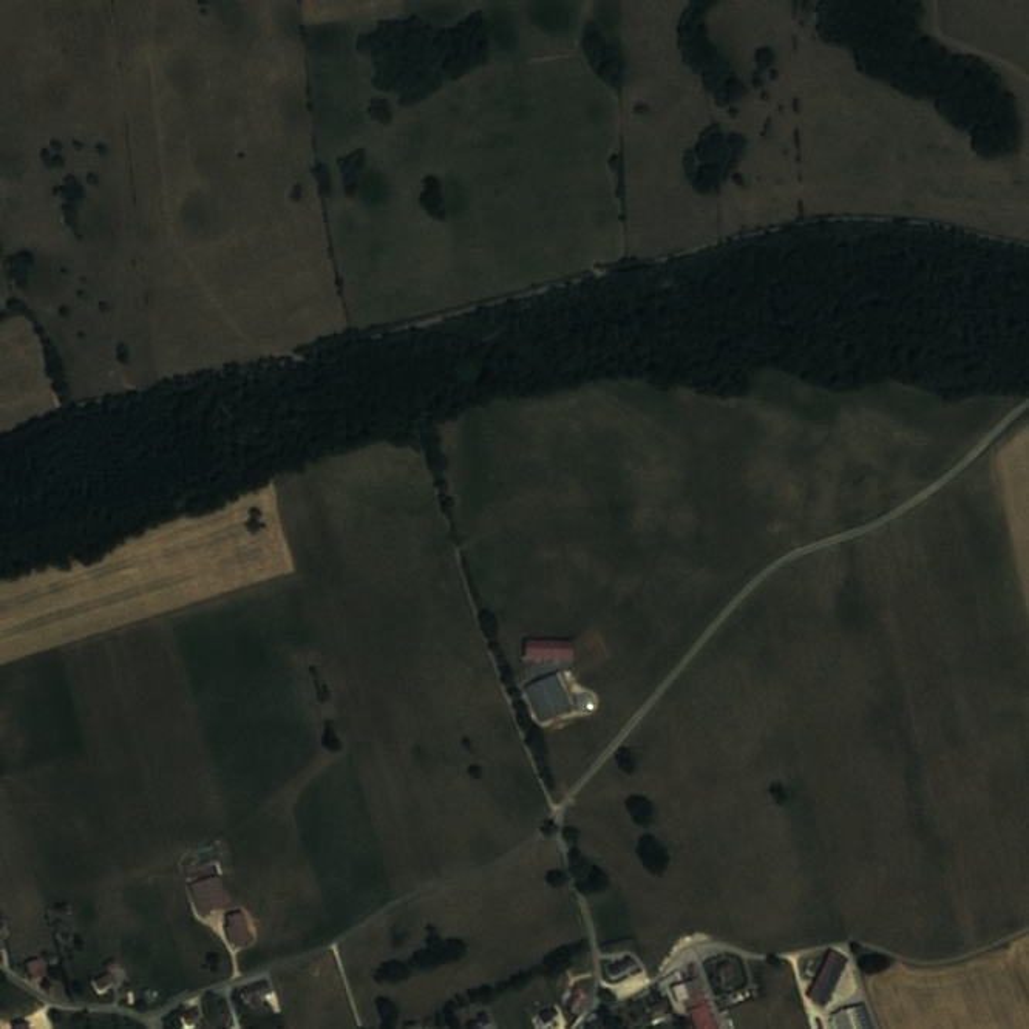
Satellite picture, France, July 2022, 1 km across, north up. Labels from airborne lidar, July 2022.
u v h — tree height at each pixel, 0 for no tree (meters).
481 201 0
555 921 0
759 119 0
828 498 0
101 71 0
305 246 0
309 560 0
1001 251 6
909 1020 0
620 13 0
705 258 7
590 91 0
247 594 0
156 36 0
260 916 0
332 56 0
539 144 0
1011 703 0
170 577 0
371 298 0
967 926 0
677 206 0
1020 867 0
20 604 0
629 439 0
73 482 21
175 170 0
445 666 0
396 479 0
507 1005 0
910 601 0
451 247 0
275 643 0
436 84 6
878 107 0
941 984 0
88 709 0
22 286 10
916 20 10
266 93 0
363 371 17
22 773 0
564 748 0
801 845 0
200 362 0
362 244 0
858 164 0
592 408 0
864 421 0
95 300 0
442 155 0
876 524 0
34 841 0
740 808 0
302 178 0
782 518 0
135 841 0
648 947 0
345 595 0
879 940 0
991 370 14
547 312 18
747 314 19
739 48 0
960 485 0
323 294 0
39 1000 0
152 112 0
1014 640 0
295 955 0
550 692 0
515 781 0
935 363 16
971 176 0
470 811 0
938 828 0
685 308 18
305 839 0
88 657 0
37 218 0
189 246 0
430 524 0
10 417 0
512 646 0
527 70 0
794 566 0
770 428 0
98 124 0
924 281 19
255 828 0
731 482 0
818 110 0
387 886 0
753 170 0
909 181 0
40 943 0
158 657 0
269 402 20
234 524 0
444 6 0
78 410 14
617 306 9
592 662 0
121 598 0
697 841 0
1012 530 0
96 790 0
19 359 0
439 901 0
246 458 18
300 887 0
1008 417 0
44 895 0
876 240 14
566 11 0
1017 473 0
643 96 0
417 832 0
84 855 0
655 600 0
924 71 22
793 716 0
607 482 0
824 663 0
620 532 0
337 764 0
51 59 0
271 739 0
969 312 22
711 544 0
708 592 0
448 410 16
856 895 0
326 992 0
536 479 0
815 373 21
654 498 0
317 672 7
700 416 0
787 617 0
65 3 0
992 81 17
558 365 21
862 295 20
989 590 0
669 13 0
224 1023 0
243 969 0
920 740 0
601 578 0
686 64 8
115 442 18
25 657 0
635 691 0
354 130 0
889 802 0
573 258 0
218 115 0
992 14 0
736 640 0
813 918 0
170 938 0
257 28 0
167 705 0
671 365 20
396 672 0
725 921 0
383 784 0
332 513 0
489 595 0
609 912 0
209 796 0
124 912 0
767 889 0
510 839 0
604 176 0
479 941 0
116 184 0
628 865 0
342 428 20
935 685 0
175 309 0
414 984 0
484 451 0
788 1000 0
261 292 0
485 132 0
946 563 0
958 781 0
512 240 0
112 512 14
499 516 0
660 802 0
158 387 9
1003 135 16
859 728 0
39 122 0
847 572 0
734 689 0
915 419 0
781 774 0
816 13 6
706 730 0
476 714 0
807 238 14
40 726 0
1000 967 0
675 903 0
